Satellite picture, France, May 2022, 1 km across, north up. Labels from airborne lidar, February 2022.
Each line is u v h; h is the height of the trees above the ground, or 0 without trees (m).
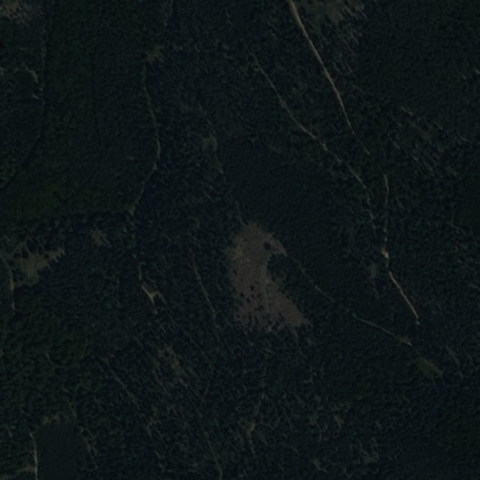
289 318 0
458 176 6
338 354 17
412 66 24
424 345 12
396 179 14
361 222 14
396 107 31
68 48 17
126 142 24
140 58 22
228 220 32
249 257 0
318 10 0
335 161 23
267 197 16
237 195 17
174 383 34
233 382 16
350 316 13
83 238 31
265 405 30
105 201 22
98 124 20
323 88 29
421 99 23
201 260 30
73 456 10
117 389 35
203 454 34
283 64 31
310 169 11
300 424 9
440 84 22
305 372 10
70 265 30
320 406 6
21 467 27
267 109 10
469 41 26
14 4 21
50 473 9
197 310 29
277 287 29
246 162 19
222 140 6
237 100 36
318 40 24
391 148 27
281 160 17
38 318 18
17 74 6
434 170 31
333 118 22
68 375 32
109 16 22
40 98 23
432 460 26
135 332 32
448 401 29
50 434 11
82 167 17
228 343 33
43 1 25
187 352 36
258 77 10
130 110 21
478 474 24
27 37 22
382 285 28
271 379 9
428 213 31
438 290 25
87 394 35
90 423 29
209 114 35
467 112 28
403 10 22
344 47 31
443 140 24
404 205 30
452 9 26
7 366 28
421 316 8
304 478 8
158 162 0
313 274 20
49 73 21
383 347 20
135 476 34
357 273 11
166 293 30
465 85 28
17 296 25
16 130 27
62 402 18
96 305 26
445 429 29
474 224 15
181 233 30
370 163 13
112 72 17
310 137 20
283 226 19
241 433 29
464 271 26
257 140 30
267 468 25
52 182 21
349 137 16
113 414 34
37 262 0
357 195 27
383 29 24
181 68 35
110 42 18
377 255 26
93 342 31
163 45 34
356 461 12
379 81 26
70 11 17
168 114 31
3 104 19
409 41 24
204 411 29
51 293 29
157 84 33
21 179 23
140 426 33
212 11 13
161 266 32
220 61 27
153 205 36
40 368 26
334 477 10
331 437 8
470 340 26
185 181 15
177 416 18
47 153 19
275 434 12
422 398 24
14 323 34
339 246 22
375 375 18
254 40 8
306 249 21
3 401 24
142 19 29
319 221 19
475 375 19
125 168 15
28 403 25
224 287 28
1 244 7
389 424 17
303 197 21
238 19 14
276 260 17
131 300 31
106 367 31
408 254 28
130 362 11
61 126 20
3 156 24
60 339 32
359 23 26
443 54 23
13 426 18
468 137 27
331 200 32
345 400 13
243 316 33
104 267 33
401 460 21
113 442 29
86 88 14
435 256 27
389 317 12
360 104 25
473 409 27
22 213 25
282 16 23
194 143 32
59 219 9
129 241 10
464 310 28
